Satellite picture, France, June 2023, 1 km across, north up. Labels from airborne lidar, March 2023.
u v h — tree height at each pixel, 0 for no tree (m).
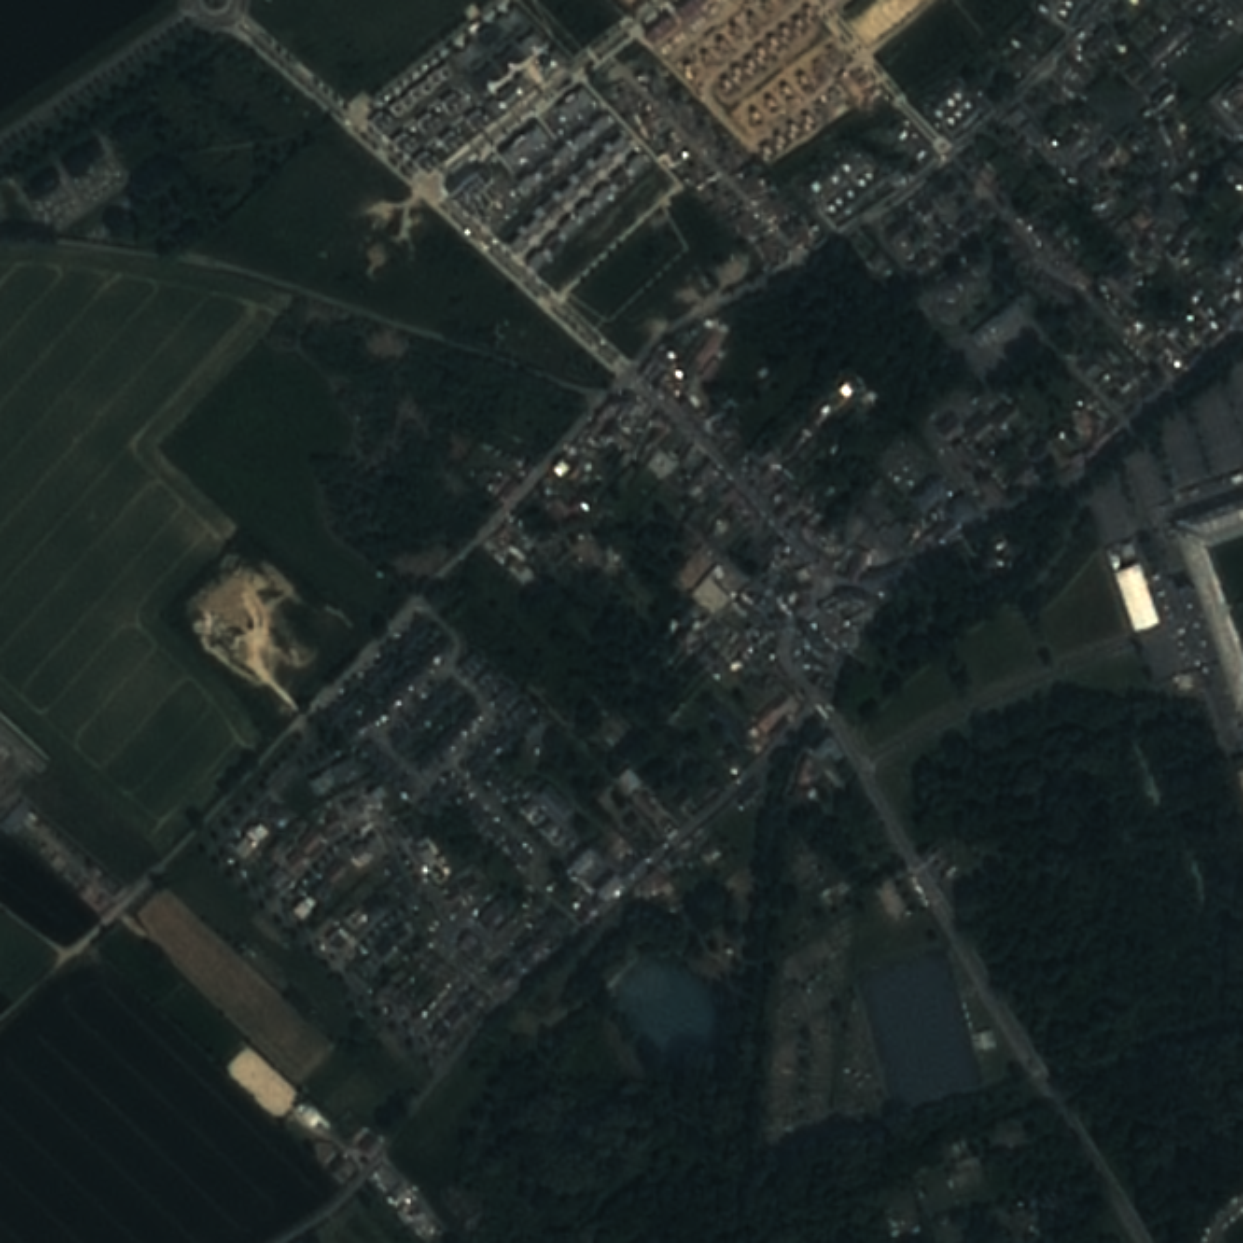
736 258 0
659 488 0
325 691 0
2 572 0
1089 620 0
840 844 16
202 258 0
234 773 10
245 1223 0
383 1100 0
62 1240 0
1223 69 0
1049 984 22
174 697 0
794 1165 25
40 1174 0
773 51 0
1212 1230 0
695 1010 0
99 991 0
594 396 0
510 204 0
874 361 27
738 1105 19
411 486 8
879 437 7
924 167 0
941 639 17
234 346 0
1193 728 20
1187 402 9
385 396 6
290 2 0
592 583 13
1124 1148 15
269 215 0
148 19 0
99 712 0
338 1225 0
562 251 0
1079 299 16
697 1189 13
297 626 0
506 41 0
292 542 0
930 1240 7
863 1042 0
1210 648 0
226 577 0
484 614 0
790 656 0
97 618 0
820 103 0
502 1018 11
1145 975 12
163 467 0
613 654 11
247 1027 0
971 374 15
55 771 0
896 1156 8
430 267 0
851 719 0
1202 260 0
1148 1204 24
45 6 0
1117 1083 11
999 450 6
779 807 12
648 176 0
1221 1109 25
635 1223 6
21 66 0
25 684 0
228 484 0
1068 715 12
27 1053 0
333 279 0
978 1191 0
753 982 15
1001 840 6
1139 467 0
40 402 0
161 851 0
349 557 0
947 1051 0
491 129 0
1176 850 8
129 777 0
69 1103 0
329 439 0
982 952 9
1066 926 11
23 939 0
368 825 0
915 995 0
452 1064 0
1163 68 0
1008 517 11
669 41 0
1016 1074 16
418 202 0
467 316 0
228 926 0
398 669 8
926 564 20
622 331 0
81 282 0
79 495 0
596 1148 22
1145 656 10
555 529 7
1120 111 0
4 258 0
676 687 8
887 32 0
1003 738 16
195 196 20
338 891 0
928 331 15
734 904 20
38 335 0
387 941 0
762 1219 25
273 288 0
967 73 13
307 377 0
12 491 0
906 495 0
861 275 24
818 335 12
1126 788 7
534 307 0
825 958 0
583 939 9
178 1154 0
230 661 0
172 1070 0
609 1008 10
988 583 11
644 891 0
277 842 5
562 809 0
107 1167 0
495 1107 13
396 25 0
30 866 0
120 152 0
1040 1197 18
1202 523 0
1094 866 18
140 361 0
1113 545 0
